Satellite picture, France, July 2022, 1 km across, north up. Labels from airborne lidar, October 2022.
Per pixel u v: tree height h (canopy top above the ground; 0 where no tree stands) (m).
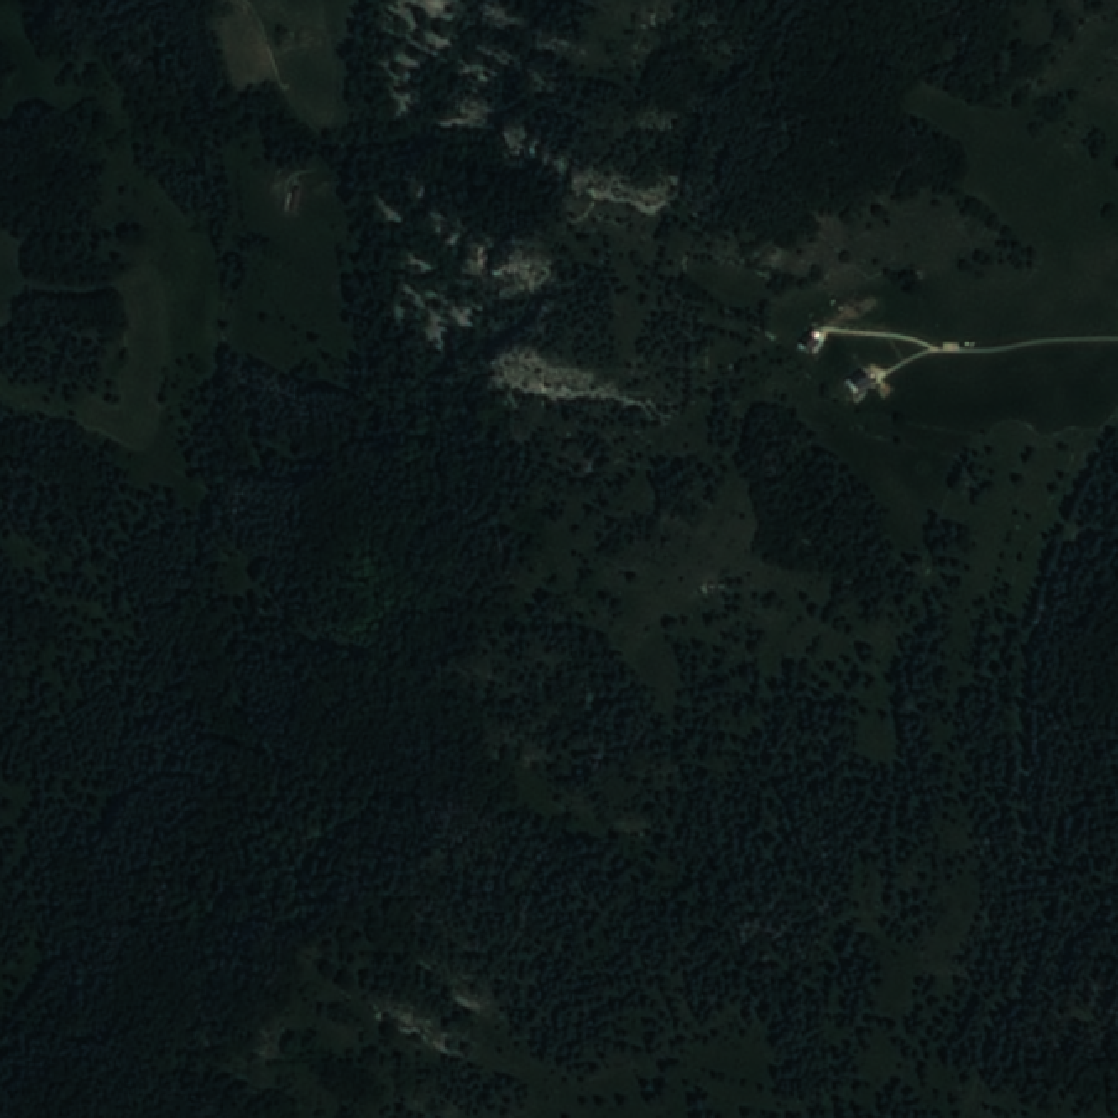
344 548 24
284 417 30
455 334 17
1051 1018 29
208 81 21
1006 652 18
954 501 0
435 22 7
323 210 0
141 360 0
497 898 17
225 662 25
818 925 19
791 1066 17
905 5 15
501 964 12
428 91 8
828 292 0
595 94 13
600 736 17
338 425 26
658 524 10
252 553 16
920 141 19
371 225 13
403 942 14
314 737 31
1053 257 0
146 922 26
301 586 24
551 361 0
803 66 22
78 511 12
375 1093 11
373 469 24
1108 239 0
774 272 8
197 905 20
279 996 16
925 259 0
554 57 17
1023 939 23
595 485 15
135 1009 24
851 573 24
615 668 11
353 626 22
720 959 26
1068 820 27
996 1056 23
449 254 7
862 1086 18
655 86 20
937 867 12
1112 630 23
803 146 15
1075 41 11
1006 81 12
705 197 17
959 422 0
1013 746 23
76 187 11
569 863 12
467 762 28
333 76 0
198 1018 9
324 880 34
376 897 18
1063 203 0
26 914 16
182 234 0
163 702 21
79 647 12
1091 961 31
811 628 0
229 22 0
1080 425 0
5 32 0
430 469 23
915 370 0
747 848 23
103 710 15
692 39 10
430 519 18
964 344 0
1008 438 0
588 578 14
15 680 16
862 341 0
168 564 24
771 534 13
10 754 18
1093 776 6
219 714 13
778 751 25
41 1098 29
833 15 20
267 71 0
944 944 0
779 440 20
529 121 8
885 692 0
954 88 17
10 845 19
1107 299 0
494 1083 8
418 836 17
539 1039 7
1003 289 0
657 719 16
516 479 14
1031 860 18
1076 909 7
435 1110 9
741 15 17
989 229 9
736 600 8
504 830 12
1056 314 0
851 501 30
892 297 0
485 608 12
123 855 34
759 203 19
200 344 0
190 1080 15
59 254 17
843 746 23
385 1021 7
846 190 16
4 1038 22
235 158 0
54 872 16
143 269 0
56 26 32
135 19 29
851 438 0
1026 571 0
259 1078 0
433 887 15
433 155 21
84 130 6
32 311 16
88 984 15
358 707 30
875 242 0
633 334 0
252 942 19
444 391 24
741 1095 0
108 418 0
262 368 32
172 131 19
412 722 29
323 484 29
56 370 17
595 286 13
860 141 19
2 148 30
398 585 18
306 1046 17
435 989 19
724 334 11
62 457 23
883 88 28
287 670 19
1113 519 12
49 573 8
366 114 6
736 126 24
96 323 15
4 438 23
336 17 0
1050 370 0
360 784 30
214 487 15
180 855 27
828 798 17
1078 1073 18
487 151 10
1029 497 0
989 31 17
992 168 0
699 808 20
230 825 24
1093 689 18
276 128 21
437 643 19
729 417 18
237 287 17
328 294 0
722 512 0
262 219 0
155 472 0
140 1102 23
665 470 13
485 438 12
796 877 19
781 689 23
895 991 0
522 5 13
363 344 10
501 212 15
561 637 15
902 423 12
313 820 27
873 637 0
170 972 27
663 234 16
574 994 17
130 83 12
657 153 13
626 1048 19
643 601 0
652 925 9
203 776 17
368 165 18
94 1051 33
